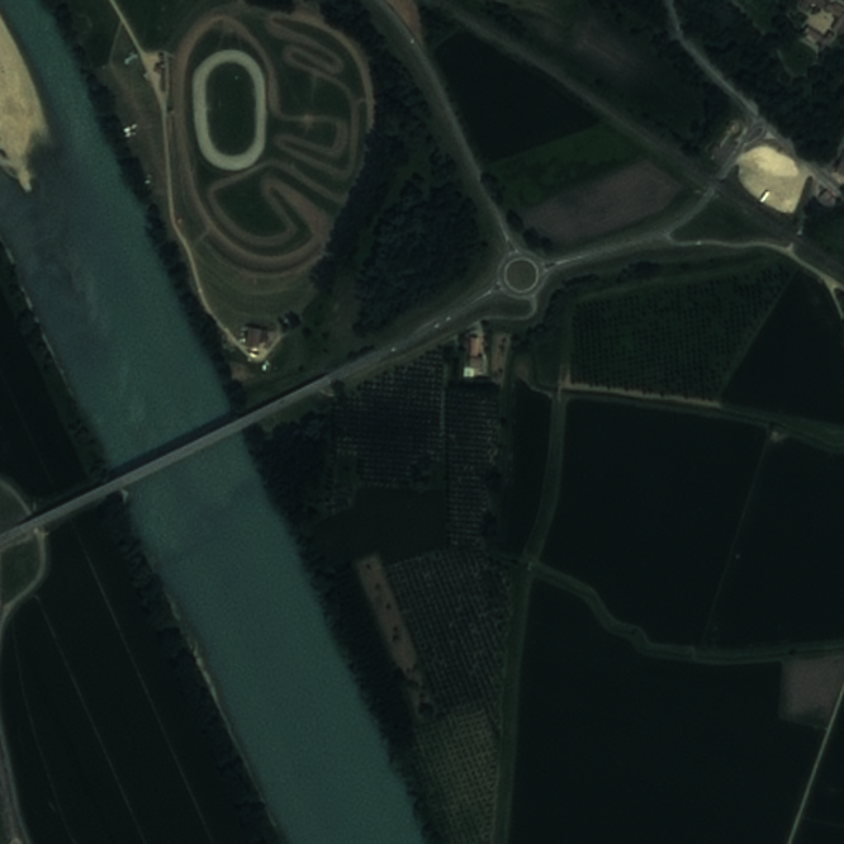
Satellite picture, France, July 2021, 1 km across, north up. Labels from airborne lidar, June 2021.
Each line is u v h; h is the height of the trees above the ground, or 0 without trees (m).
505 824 0
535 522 0
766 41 14
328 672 0
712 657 0
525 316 0
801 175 0
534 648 0
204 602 0
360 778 0
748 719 0
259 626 0
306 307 0
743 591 0
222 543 0
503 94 0
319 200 0
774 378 0
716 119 22
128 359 0
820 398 0
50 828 0
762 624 0
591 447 0
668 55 15
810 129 11
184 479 0
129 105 0
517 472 0
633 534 0
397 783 0
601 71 0
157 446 0
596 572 0
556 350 0
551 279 0
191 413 0
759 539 0
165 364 0
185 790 0
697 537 0
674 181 0
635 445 0
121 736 0
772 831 0
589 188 0
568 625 0
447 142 0
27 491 0
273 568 0
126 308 0
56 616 0
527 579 0
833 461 0
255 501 0
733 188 0
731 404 0
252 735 0
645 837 0
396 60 16
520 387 0
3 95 0
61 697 0
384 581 0
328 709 0
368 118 0
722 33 23
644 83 0
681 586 0
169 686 0
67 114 0
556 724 0
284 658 0
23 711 0
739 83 22
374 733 0
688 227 0
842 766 0
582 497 0
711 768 0
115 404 0
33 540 0
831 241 0
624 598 0
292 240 0
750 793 0
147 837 0
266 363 0
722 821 0
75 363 0
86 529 0
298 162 0
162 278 0
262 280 0
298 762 0
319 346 0
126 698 0
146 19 0
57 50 0
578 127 0
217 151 0
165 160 0
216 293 0
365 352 6
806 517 0
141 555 19
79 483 0
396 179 9
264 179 0
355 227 30
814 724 0
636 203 0
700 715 0
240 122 0
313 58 0
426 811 14
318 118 0
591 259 0
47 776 0
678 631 0
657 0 20
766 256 0
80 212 0
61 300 0
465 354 10
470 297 0
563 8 0
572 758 0
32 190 0
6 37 0
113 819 0
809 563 0
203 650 0
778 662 0
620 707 0
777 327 0
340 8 20
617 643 0
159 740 0
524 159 0
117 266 0
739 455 0
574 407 0
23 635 0
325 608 12
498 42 0
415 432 18
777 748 0
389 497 0
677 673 0
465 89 0
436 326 0
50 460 0
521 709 0
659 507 0
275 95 0
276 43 0
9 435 0
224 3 0
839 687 0
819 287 0
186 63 0
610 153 0
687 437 0
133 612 0
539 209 0
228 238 0
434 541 0
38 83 0
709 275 0
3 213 0
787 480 0
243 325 0
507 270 0
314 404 0
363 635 18
